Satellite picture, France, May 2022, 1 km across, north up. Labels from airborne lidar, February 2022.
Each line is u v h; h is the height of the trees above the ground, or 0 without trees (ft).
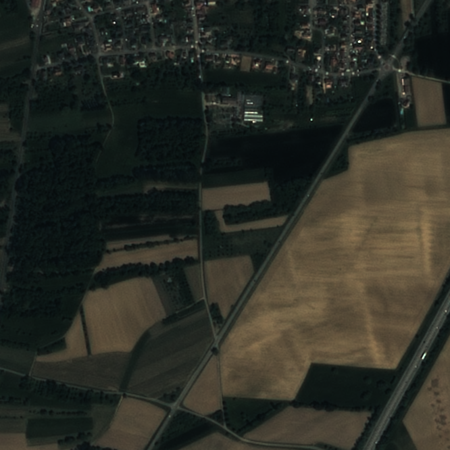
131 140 0
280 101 0
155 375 0
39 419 0
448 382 0
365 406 0
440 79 0
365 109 0
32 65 0
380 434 0
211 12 0
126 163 0
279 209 33
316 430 0
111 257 0
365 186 0
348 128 0
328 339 0
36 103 25
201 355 0
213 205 0
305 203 0
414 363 0
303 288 0
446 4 34
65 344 0
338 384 0
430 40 0
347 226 0
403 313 0
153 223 0
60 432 0
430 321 0
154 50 0
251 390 0
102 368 0
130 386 0
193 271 0
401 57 0
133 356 0
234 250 0
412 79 0
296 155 0
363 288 0
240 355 0
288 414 0
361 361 0
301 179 37
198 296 0
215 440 0
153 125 51
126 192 0
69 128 0
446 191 0
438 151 0
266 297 0
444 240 0
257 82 0
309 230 0
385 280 0
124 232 0
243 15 0
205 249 0
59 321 0
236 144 0
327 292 0
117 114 0
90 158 78
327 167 0
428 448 0
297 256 0
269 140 0
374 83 0
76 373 0
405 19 0
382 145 0
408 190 0
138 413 0
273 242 0
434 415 0
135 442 0
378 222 0
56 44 0
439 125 0
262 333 0
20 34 0
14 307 39
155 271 40
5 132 0
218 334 0
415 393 0
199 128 72
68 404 0
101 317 0
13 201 0
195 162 0
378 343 0
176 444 0
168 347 0
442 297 0
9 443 0
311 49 0
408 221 0
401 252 0
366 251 0
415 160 0
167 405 0
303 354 0
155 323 0
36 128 0
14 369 0
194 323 0
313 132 0
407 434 0
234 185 0
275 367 0
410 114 0
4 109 0
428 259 0
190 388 0
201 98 0
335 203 0
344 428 0
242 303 0
